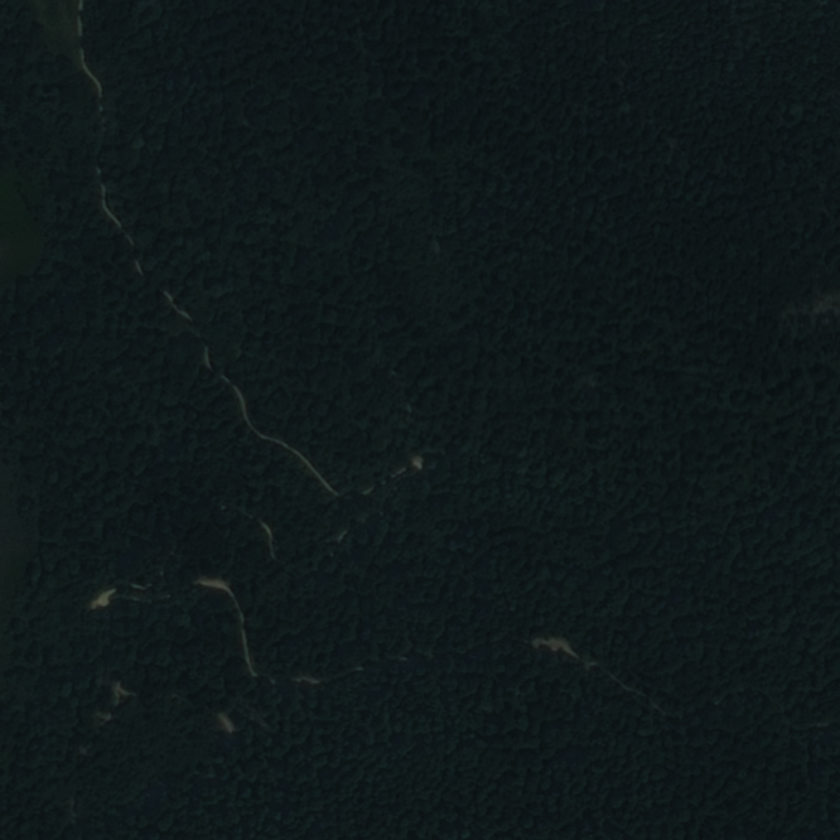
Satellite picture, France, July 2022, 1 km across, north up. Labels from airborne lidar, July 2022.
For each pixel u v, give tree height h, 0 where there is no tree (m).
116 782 8
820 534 28
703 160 24
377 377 23
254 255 19
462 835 27
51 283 15
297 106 17
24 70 25
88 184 12
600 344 9
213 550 11
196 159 21
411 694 31
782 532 26
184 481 10
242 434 30
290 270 26
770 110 19
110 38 13
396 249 20
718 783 34
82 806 12
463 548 12
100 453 30
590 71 22
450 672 21
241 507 9
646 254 29
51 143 11
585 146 25
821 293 18
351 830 34
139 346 20
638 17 22
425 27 31
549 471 13
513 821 32
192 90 30
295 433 29
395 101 8
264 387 33
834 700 23
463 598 35
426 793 35
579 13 27
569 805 35
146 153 23
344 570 16
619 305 25
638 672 15
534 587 35
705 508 31
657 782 31
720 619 33
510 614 31
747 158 32
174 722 8
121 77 7
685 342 30
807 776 24
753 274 27
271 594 20
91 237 25
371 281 31
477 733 7
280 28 12
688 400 24
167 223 27
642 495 26
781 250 19
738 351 29
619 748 32
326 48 27
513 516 30
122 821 27
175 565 17
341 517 31
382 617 32
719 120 16
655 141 19
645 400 7
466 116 35
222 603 28
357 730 9
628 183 25
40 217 7
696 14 24
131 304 26
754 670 26
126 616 9
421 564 31
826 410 34
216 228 25
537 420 11
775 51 16
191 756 10
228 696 7
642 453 26
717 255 26
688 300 29
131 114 22
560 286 23
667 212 22
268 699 30
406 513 7
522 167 26
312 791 34
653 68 20
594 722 28
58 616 11
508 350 32
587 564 8
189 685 26
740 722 28
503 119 26
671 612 30
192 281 29
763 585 28
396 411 19
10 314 10
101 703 33
